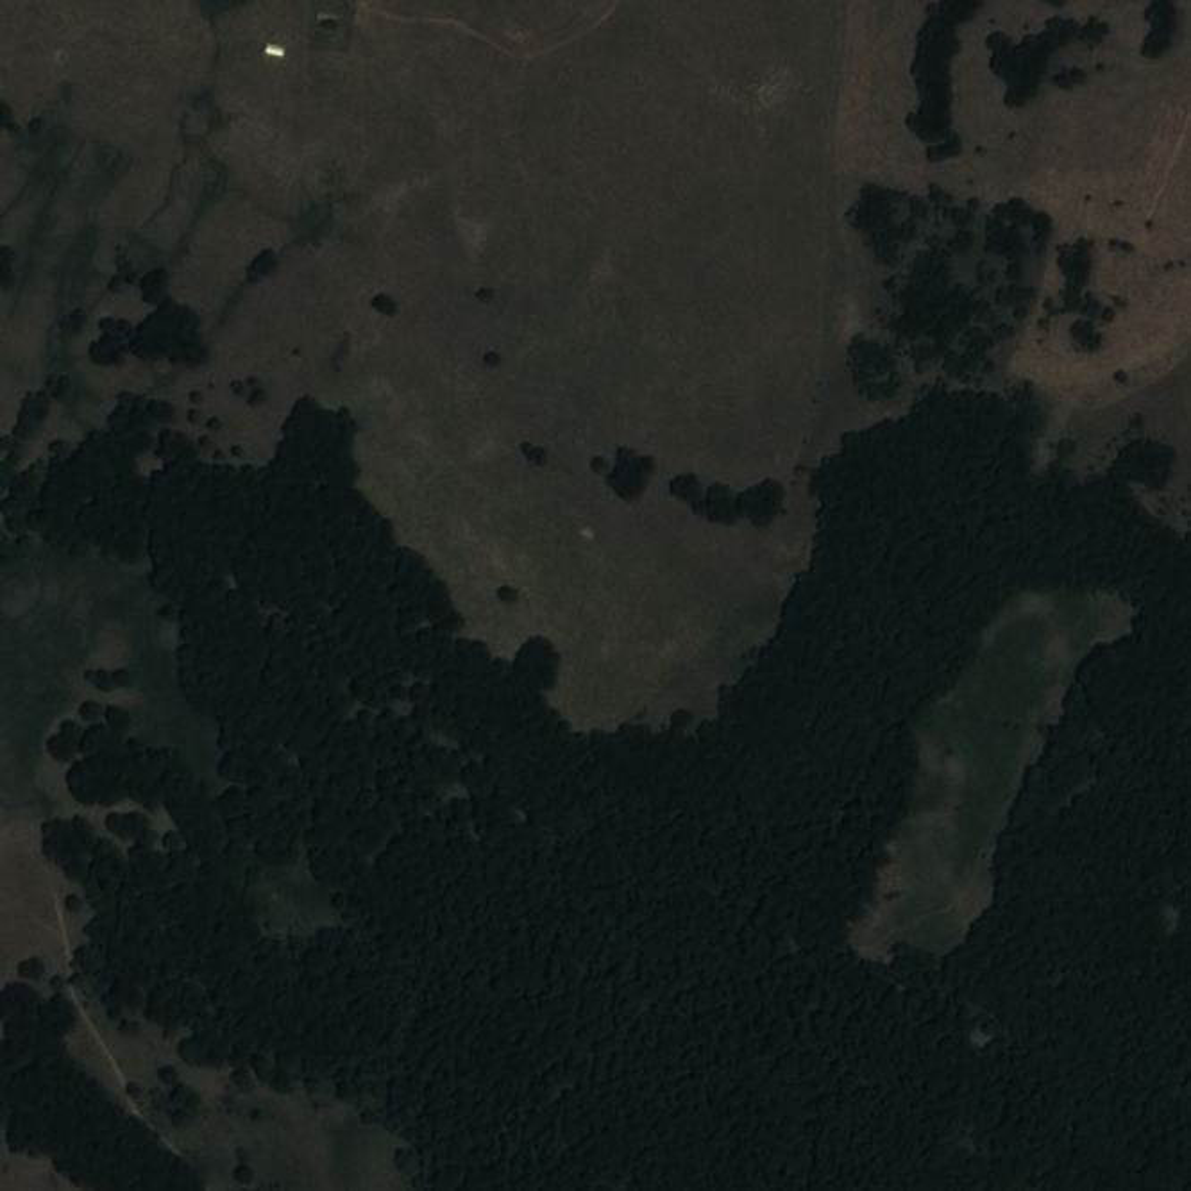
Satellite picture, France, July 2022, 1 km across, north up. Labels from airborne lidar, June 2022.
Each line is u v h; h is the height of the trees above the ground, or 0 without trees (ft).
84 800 50
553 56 0
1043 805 38
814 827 53
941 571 63
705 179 0
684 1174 46
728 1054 43
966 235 24
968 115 0
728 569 0
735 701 36
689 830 55
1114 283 0
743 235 0
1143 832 33
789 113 0
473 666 42
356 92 0
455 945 57
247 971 51
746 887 48
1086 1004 42
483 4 0
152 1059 0
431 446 0
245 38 0
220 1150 0
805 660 47
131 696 0
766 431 0
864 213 18
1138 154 0
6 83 0
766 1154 45
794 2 0
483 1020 54
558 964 57
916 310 25
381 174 0
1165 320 0
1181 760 34
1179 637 51
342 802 48
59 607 0
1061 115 0
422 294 0
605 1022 58
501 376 0
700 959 58
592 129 0
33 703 0
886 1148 52
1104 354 0
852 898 69
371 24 0
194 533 59
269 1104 0
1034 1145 46
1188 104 0
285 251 0
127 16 0
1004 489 52
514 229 0
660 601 0
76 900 40
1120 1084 39
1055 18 20
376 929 47
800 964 41
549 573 0
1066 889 37
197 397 27
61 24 0
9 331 0
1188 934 31
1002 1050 36
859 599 47
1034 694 0
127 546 57
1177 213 0
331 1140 0
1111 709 55
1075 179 0
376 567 42
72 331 33
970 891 0
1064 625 0
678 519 0
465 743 38
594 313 0
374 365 0
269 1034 40
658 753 31
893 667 66
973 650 51
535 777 46
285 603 44
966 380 25
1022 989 35
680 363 0
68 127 0
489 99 0
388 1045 52
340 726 51
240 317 0
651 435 0
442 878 63
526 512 0
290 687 49
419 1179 22
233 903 57
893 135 0
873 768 54
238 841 43
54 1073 66
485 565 0
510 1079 47
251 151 0
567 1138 43
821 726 59
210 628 59
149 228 0
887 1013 52
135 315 0
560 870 35
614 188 0
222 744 42
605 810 21
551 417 0
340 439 45
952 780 0
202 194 0
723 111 0
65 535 49
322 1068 40
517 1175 53
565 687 0
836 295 0
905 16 0
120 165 0
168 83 0
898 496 57
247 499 42
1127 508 34
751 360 0
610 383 0
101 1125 77
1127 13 0
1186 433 0
